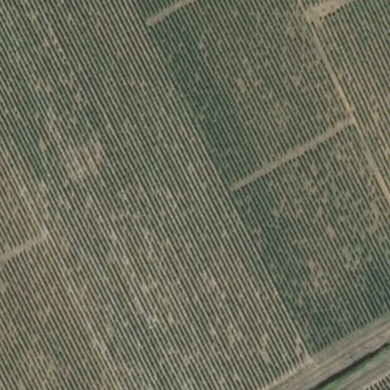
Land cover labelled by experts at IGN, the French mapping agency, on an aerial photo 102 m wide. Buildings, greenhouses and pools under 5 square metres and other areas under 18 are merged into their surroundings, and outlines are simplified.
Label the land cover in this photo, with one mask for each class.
<instances>
[{"label":"vineyard","instance_id":"1","mask_svg":"<svg viewBox=\"0 0 390 390\"><path fill-rule=\"evenodd\" d=\"M390 312V0H0V390H257L305 360V356L320 352L329 344L347 337L350 332L364 328L376 318Z\"/></svg>","mask_w":390,"mask_h":390},{"label":"herbaceous vegetation","instance_id":"2","mask_svg":"<svg viewBox=\"0 0 390 390\"><path fill-rule=\"evenodd\" d=\"M390 340V312L376 318L364 328L350 332L347 337L329 344L320 352L305 356V360L257 390H309L318 382L340 372L353 361ZM344 384L337 390H390V349L379 353L360 369L341 378Z\"/></svg>","mask_w":390,"mask_h":390},{"label":"brushwood","instance_id":"3","mask_svg":"<svg viewBox=\"0 0 390 390\"><path fill-rule=\"evenodd\" d=\"M390 349V340L353 361L340 372L318 382L309 390H337L344 384L341 378L360 369L379 353Z\"/></svg>","mask_w":390,"mask_h":390}]
</instances>
